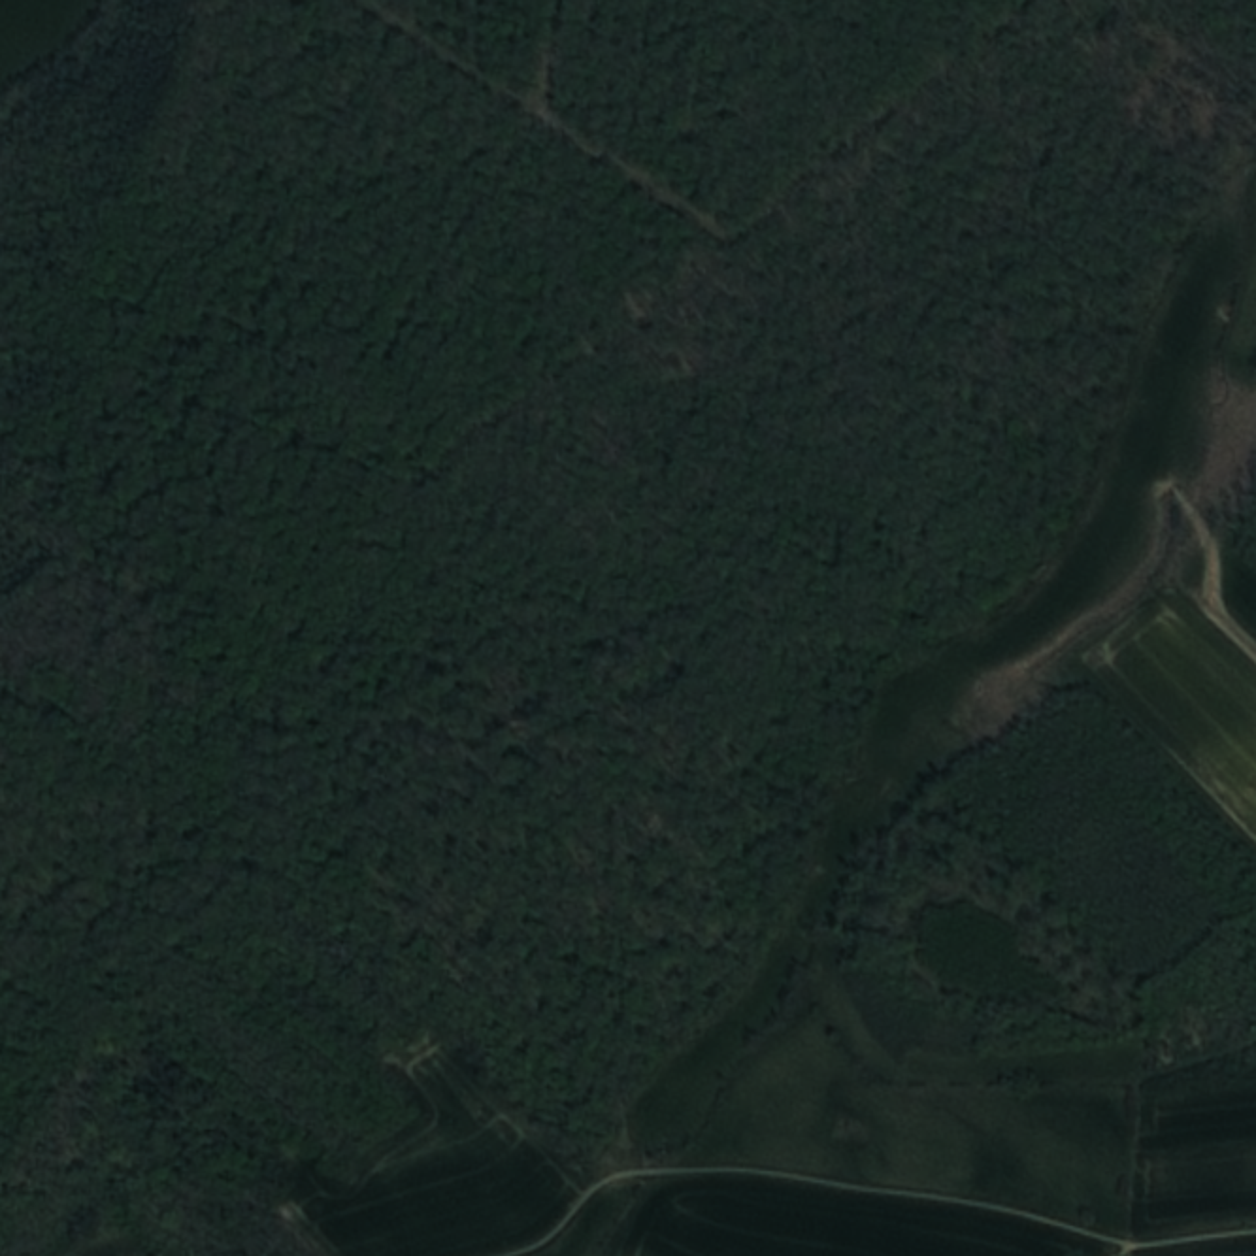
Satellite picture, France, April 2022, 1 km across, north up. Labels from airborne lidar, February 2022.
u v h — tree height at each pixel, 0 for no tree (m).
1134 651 0
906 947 23
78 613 23
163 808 28
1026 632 0
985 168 22
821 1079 0
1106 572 0
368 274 22
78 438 21
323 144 21
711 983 25
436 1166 0
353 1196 0
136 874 26
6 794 26
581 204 23
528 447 23
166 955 28
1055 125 20
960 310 23
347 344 21
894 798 0
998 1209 0
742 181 20
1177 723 0
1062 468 27
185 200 21
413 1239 0
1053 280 27
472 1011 24
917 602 25
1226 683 0
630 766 29
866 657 24
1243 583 0
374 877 25
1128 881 15
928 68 22
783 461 27
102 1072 21
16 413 23
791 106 23
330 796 30
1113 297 26
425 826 26
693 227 22
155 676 16
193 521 26
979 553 26
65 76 18
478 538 23
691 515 28
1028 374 28
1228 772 0
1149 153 21
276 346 19
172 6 21
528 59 21
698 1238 0
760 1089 0
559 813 29
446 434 22
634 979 24
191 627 20
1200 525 0
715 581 26
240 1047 24
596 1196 0
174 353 21
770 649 28
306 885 24
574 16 21
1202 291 0
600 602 25
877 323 22
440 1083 0
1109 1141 0
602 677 29
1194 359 0
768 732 26
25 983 26
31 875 26
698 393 22
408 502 23
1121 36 23
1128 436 0
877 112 22
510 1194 0
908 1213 0
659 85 22
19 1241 19
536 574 24
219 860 28
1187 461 0
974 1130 0
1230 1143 0
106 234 22
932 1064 0
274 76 20
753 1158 0
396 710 30
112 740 23
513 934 27
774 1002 0
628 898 27
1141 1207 0
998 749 14
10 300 22
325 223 23
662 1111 0
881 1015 5
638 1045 24
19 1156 22
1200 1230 0
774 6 20
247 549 24
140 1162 23
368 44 20
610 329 23
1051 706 18
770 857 26
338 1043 23
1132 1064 0
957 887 25
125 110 23
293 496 25
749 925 25
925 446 23
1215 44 23
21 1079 24
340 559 22
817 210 22
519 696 27
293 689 25
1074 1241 0
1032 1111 0
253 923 27
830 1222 0
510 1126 0
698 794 25
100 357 21
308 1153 18
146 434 24
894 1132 0
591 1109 21
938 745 0
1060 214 23
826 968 0
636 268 23
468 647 25
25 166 21
